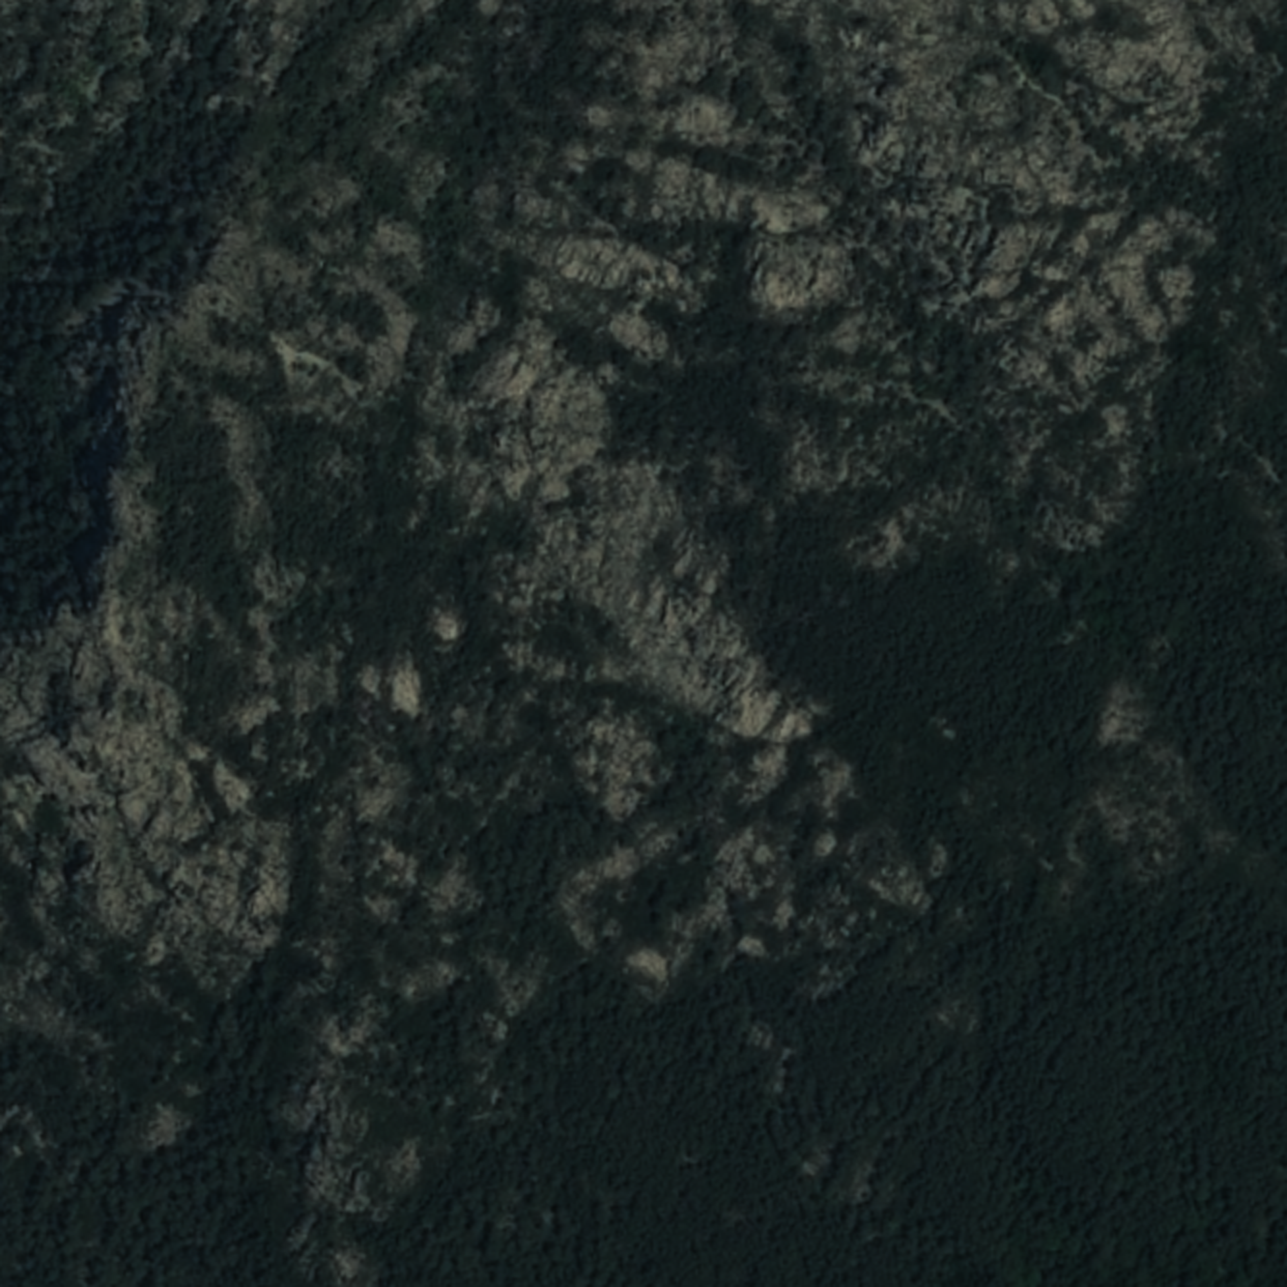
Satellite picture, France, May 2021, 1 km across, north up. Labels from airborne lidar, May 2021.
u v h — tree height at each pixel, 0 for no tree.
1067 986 20
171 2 11
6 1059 14
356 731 14
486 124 25
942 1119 20
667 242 16
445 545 14
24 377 21
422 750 18
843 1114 18
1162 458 19
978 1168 23
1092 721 15
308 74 21
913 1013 24
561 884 16
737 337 15
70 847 9
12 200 19
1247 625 21
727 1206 21
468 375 21
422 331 18
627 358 18
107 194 22
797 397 10
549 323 6
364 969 6
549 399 0
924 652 15
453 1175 15
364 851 14
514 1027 6
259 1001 14
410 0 0
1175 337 8
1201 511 9
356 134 26
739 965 10
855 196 21
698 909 21
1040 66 16
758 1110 22
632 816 8
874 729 15
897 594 16
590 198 12
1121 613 21
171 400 20
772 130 14
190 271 23
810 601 11
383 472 17
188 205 15
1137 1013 22
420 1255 23
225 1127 24
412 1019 6
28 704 7
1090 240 0
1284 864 7
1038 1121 24
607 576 0
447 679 12
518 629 12
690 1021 19
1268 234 12
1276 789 21
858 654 18
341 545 16
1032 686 16
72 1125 6
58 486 8
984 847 6
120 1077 8
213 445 10
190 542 14
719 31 16
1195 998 21
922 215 9
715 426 8
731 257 12
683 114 0
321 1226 14
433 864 11
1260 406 7
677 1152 17
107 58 26
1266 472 19
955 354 25
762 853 0
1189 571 13
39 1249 31
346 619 12
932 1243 24
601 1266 19
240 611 7
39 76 17
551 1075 10
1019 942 22
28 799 0
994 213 13
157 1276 24
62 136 14
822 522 13
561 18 12
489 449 11
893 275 5
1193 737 19
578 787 13
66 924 9
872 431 7
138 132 25
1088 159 5
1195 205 16
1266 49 6
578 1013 18
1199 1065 22
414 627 9
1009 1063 22
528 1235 25
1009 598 7
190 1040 6
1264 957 19
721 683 7
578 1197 14
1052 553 10
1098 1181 26
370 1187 6
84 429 26
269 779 18
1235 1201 27
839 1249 18
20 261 10
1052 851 6
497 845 22
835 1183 19
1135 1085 22
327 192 0
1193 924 20
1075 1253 12
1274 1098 27
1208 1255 26
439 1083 16
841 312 16
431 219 10
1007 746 21
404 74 21
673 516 0
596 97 16
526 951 6
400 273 6
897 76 14
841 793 0
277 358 12
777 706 7
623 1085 14
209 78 13
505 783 15
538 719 6
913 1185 16
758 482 24
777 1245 21
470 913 8
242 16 20
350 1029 9
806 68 24
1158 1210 26
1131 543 18
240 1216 17
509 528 6
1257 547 11
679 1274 22
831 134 25
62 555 9
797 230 8
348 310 20
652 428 8
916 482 7
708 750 25
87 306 21
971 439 22
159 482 6
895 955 18
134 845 9
